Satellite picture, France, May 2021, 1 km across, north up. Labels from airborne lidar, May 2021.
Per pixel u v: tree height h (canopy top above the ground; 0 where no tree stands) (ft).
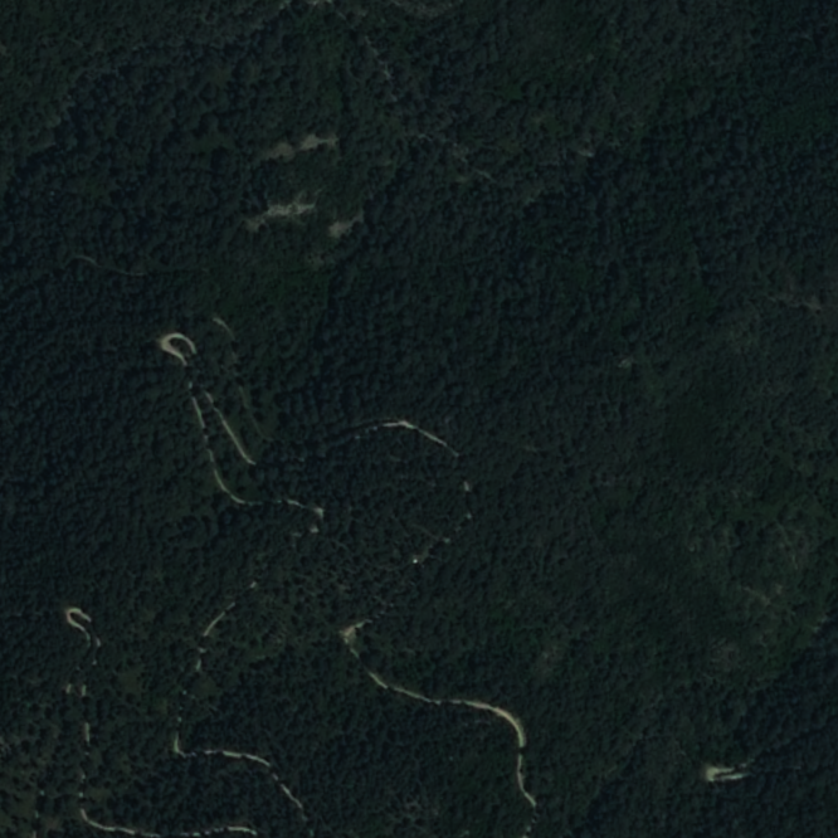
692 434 47
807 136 46
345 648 81
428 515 71
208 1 104
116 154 112
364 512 82
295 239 97
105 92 86
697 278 101
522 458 96
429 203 141
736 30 89
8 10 61
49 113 62
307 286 33
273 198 28
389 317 78
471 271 80
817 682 87
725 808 32
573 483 109
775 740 89
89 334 79
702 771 65
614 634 28
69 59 70
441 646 80
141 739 94
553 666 33
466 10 40
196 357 56
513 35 55
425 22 54
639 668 69
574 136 49
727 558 33
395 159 96
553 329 75
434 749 59
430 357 69
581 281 65
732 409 62
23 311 65
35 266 89
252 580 83
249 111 107
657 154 72
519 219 63
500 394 83
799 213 30
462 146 96
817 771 53
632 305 85
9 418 84
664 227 44
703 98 87
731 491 50
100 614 67
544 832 32
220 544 121
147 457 88
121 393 84
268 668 75
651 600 29
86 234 87
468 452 81
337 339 48
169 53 125
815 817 83
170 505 115
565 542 57
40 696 110
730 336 60
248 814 116
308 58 73
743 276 114
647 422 104
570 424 96
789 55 35
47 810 103
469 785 29
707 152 84
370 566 57
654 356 88
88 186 30
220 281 54
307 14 80
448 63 108
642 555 32
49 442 81
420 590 76
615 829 79
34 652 78
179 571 40
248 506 43
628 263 36
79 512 77
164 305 86
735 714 110
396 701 65
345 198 57
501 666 54
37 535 70
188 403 54
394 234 58
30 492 111
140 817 96
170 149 122
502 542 86
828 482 27
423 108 144
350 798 70
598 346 64
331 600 80
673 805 75
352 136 101
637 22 111
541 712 90
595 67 41
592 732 68
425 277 82
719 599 46
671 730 25
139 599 63
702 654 64
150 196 100
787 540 83
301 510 50
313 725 81
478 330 50
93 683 62
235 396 78
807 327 79
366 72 128
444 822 28
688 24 122
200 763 127
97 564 73
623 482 17
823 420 78
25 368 77
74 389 83
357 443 68
